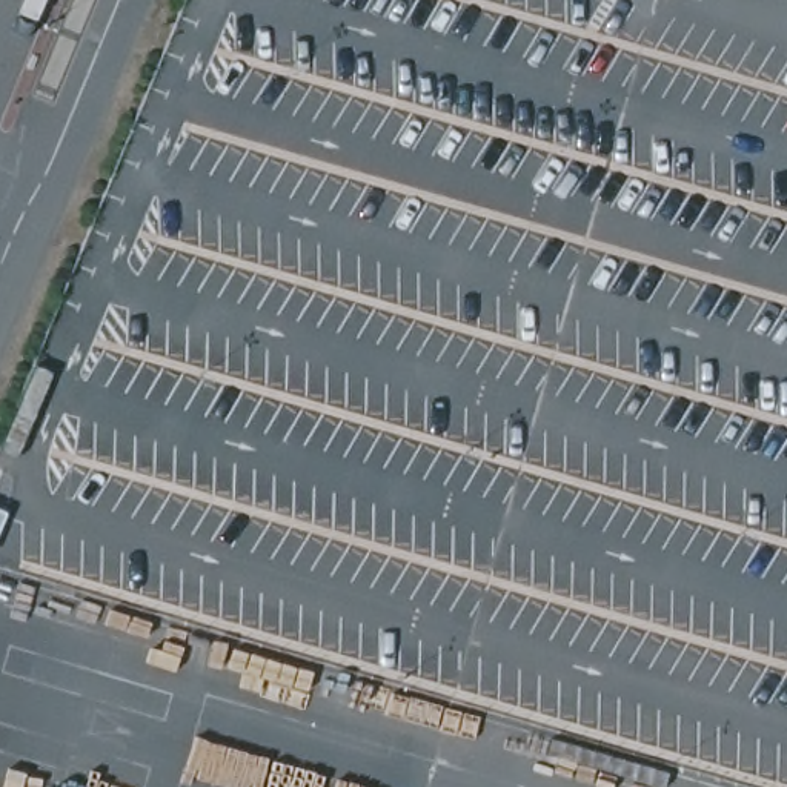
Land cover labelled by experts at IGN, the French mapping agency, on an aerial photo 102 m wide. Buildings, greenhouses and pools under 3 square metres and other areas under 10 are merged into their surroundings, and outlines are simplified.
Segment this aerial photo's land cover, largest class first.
<instances>
[{"label":"impervious surface","instance_id":"1","mask_svg":"<svg viewBox=\"0 0 787 787\"><path fill-rule=\"evenodd\" d=\"M154 0H0V354L15 341V332L40 283V274L49 261V252L58 243L71 197L89 163L92 144L105 129L111 101L120 89V80L129 68L138 40V28ZM108 200L105 215L95 218L92 227L89 246L95 249V255L80 274H74L61 298L55 326L43 344L40 369L31 372L22 406L6 433L0 437V787H787V0H188L172 46L160 55V71L151 86L148 105L135 111L129 148L123 154L117 178L108 181L101 197Z\"/></svg>","mask_w":787,"mask_h":787},{"label":"herbaceous vegetation","instance_id":"2","mask_svg":"<svg viewBox=\"0 0 787 787\"><path fill-rule=\"evenodd\" d=\"M188 0H154L138 28V40L129 68L120 80V89L111 101L105 129L92 144L89 163L71 197L58 243L49 252V261L40 274V283L15 332V341L0 354V372L6 378L15 375L25 341L37 323L49 283L61 261L74 267V274H80L95 255V249L89 246L92 227L80 221V209L92 197V184L98 178L101 160L108 157L111 135L123 111H135L148 105L151 86L160 71V55L172 46Z\"/></svg>","mask_w":787,"mask_h":787},{"label":"brushwood","instance_id":"3","mask_svg":"<svg viewBox=\"0 0 787 787\"><path fill-rule=\"evenodd\" d=\"M135 111H123L111 135L108 157L101 160L98 178L92 184V197L80 209V221L92 227L95 218L105 215L108 200L101 197L108 181L117 178L123 154L129 148ZM74 274V267L61 261L49 283L37 323L25 341L15 375L6 378L0 372V437L6 433L22 406L31 372L40 369L43 344L55 326L61 298Z\"/></svg>","mask_w":787,"mask_h":787}]
</instances>
